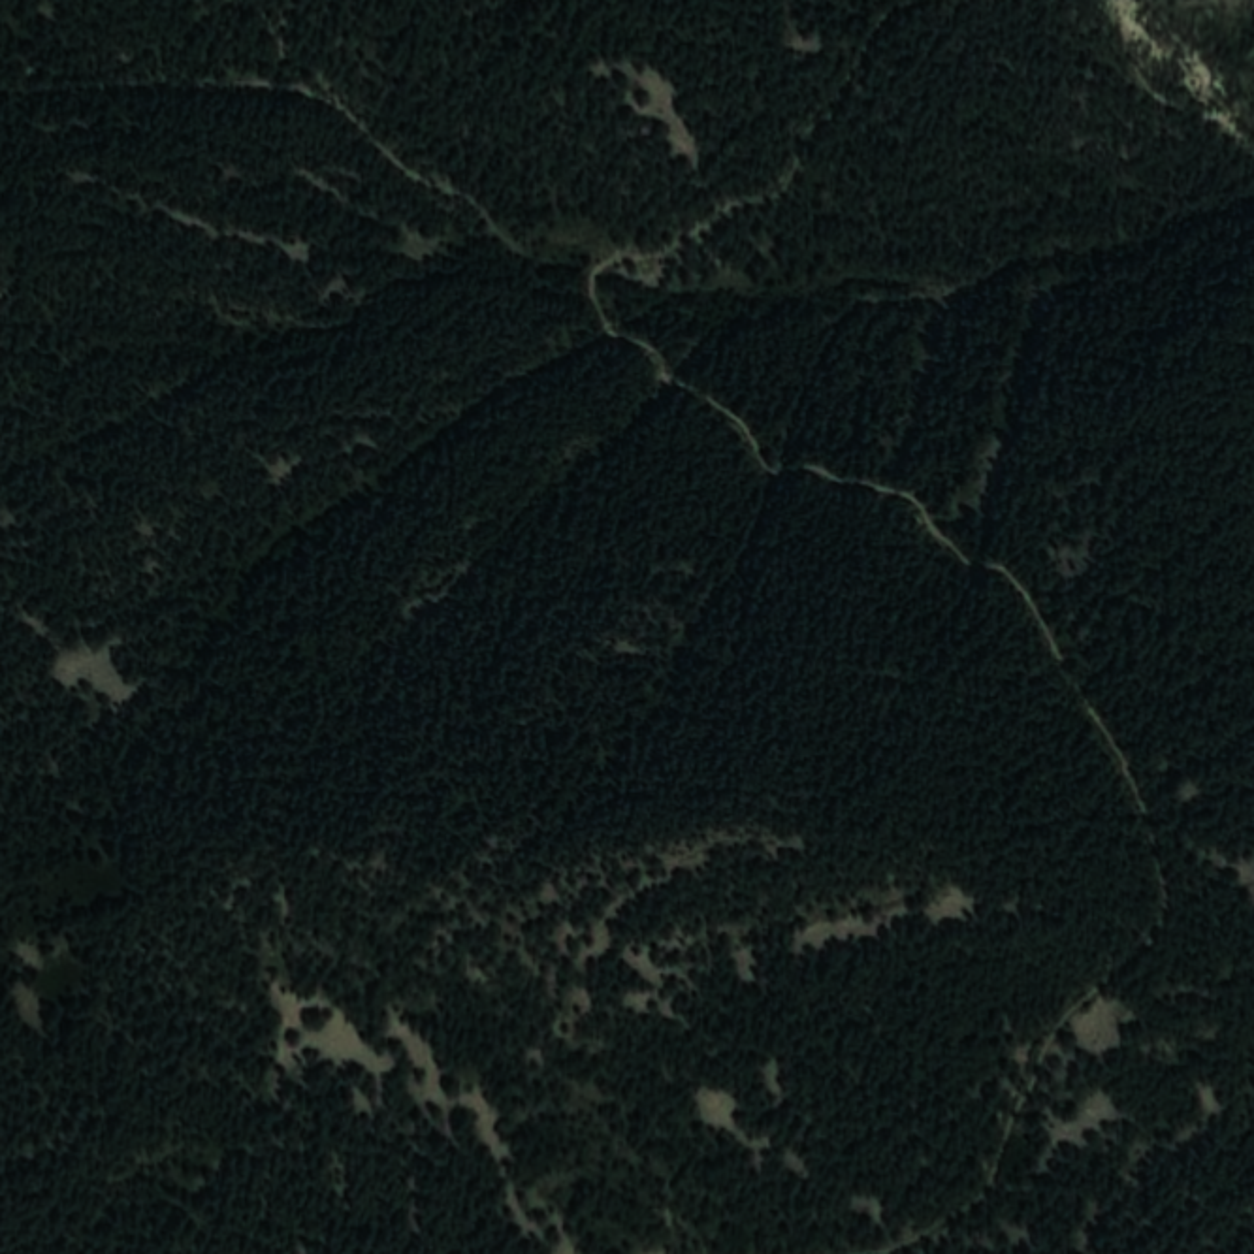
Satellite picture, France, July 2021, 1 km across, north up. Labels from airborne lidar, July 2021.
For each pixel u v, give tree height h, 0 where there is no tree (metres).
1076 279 11
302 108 27
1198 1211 25
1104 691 27
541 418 20
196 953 14
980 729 29
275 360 20
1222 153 24
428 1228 26
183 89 12
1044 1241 28
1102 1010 0
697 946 7
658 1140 24
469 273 26
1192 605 13
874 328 23
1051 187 18
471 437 23
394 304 18
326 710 10
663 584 24
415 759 11
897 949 30
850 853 21
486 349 16
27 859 20
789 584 19
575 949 18
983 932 26
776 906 17
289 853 10
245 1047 29
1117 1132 22
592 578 18
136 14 30
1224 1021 19
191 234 25
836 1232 25
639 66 19
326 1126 30
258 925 19
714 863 17
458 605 10
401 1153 23
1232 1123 23
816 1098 11
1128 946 23
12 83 17
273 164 28
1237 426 19
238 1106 16
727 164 17
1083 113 8
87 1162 22
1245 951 28
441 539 15
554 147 19
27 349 16
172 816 21
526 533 14
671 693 29
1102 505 30
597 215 24
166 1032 29
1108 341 30
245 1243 24
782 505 23
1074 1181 29
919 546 25
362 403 25
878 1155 23
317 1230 28
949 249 33
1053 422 22
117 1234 22
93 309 13
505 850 13
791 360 18
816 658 23
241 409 26
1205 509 20
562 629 14
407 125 21
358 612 22
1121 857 22
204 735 14
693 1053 22
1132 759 7
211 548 25
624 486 25
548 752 24
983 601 25
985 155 16
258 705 17
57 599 21
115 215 17
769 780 18
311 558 27
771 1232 26
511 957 13
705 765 20
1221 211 16
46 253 30
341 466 22
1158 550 25
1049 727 22
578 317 14
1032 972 25
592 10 29
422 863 13
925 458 27
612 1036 19
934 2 10
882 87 22
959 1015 25
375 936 18
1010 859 23
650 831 13
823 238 28
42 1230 19
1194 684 11
